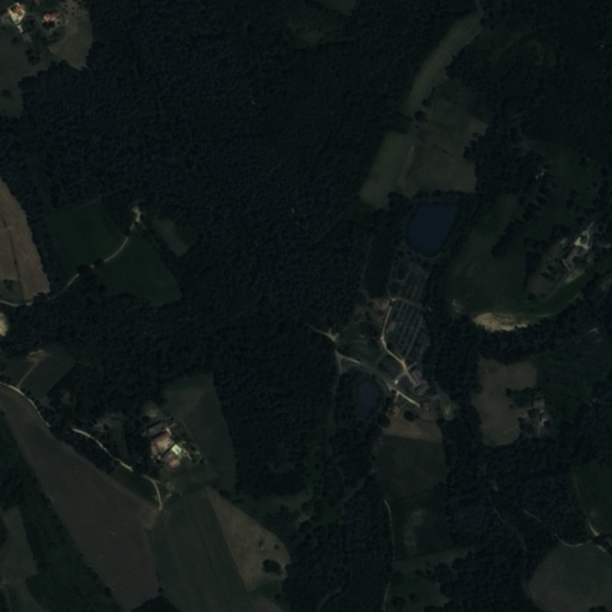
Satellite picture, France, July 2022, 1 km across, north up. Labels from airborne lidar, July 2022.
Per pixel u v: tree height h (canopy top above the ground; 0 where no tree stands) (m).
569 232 17
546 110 7
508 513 22
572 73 9
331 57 15
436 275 13
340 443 13
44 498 15
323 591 7
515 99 18
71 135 29
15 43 9
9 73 0
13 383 6
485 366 0
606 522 0
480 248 0
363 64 20
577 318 9
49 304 12
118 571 0
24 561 0
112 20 10
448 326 18
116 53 13
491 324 0
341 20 11
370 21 10
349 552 26
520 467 20
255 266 13
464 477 20
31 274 0
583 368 0
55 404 12
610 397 37
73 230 0
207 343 16
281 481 13
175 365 12
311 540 17
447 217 0
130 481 0
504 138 21
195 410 0
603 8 13
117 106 32
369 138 18
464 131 0
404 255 14
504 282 0
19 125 26
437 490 6
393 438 0
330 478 8
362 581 14
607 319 14
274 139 16
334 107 18
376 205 0
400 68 22
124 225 6
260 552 0
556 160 0
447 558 0
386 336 0
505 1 21
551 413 6
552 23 23
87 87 28
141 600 0
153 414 0
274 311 20
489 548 23
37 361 0
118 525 0
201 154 27
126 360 20
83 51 0
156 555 0
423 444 0
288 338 8
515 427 0
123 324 21
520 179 18
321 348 13
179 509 0
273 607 0
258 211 18
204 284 20
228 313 22
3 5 0
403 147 0
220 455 0
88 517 0
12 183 29
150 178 26
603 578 0
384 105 6
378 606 12
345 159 17
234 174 25
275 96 22
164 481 0
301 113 21
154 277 0
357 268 27
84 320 7
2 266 0
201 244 15
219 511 0
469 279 0
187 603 0
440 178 0
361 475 17
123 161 25
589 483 0
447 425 11
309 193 22
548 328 21
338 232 19
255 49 23
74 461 0
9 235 0
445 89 0
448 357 19
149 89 24
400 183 0
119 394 23
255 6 22
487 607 15
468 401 19
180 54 32
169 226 0
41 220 26
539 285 0
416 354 0
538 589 0
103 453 11
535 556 20
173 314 17
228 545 0
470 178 0
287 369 16
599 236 7
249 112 24
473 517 33
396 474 0
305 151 19
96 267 12
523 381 0
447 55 0
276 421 23
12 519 0
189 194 33
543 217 0
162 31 26
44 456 0
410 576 0
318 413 9
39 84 21
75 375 8
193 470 0
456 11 8
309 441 6
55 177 9
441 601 0
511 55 7
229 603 0
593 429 23
